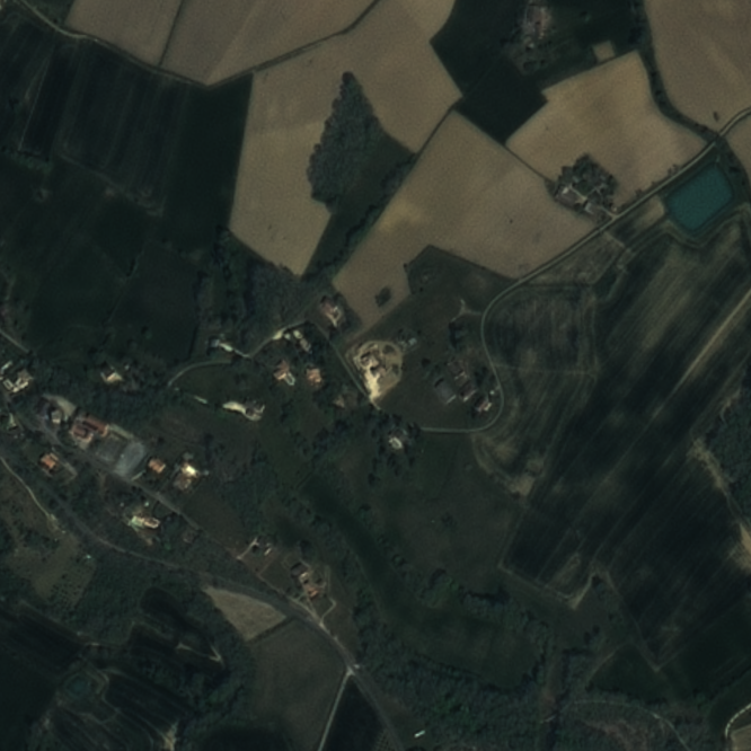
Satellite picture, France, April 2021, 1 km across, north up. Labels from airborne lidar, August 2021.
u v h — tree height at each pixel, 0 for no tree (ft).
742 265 0
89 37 0
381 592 0
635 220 0
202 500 0
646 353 0
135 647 0
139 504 38
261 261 0
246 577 60
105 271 0
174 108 0
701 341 0
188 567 49
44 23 0
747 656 0
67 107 0
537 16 0
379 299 21
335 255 0
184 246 0
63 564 0
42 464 24
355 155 53
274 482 69
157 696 0
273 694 0
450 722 41
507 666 0
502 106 0
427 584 54
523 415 0
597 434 0
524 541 0
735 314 0
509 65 0
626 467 0
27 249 0
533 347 0
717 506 0
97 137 0
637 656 0
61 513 42
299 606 0
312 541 0
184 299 0
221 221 0
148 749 0
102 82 0
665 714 53
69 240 0
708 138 39
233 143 0
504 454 0
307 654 0
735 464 59
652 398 0
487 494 0
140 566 63
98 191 0
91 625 55
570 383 0
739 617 0
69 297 0
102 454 0
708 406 0
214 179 0
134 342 28
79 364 0
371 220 40
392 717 0
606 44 0
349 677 0
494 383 30
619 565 0
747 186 23
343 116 60
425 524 0
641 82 0
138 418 75
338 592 0
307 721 0
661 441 0
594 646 64
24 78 0
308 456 40
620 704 52
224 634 47
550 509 0
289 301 61
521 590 0
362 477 0
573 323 0
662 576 0
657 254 0
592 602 0
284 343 22
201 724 54
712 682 0
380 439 53
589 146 0
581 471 0
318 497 0
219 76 0
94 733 0
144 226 0
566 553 0
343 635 0
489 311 0
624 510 0
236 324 29
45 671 0
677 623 0
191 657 0
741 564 0
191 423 0
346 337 43
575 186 23
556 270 0
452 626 0
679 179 0
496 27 0
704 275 0
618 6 0
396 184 55
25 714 0
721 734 0
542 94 0
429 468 0
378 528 48
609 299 0
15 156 41
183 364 35
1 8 0
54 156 0
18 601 44
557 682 0
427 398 0
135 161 0
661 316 0
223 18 0
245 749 0
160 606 0
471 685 66
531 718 78
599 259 0
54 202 0
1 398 34
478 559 0
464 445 0
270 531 36
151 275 0
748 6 0
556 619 0
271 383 31
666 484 0
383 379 0
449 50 0
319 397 41
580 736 53
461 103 0
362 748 0
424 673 77
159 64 0
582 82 0
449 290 0
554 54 0
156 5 0
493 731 66
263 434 0
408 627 0
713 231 0
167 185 0
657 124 0
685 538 0
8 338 0
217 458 59
